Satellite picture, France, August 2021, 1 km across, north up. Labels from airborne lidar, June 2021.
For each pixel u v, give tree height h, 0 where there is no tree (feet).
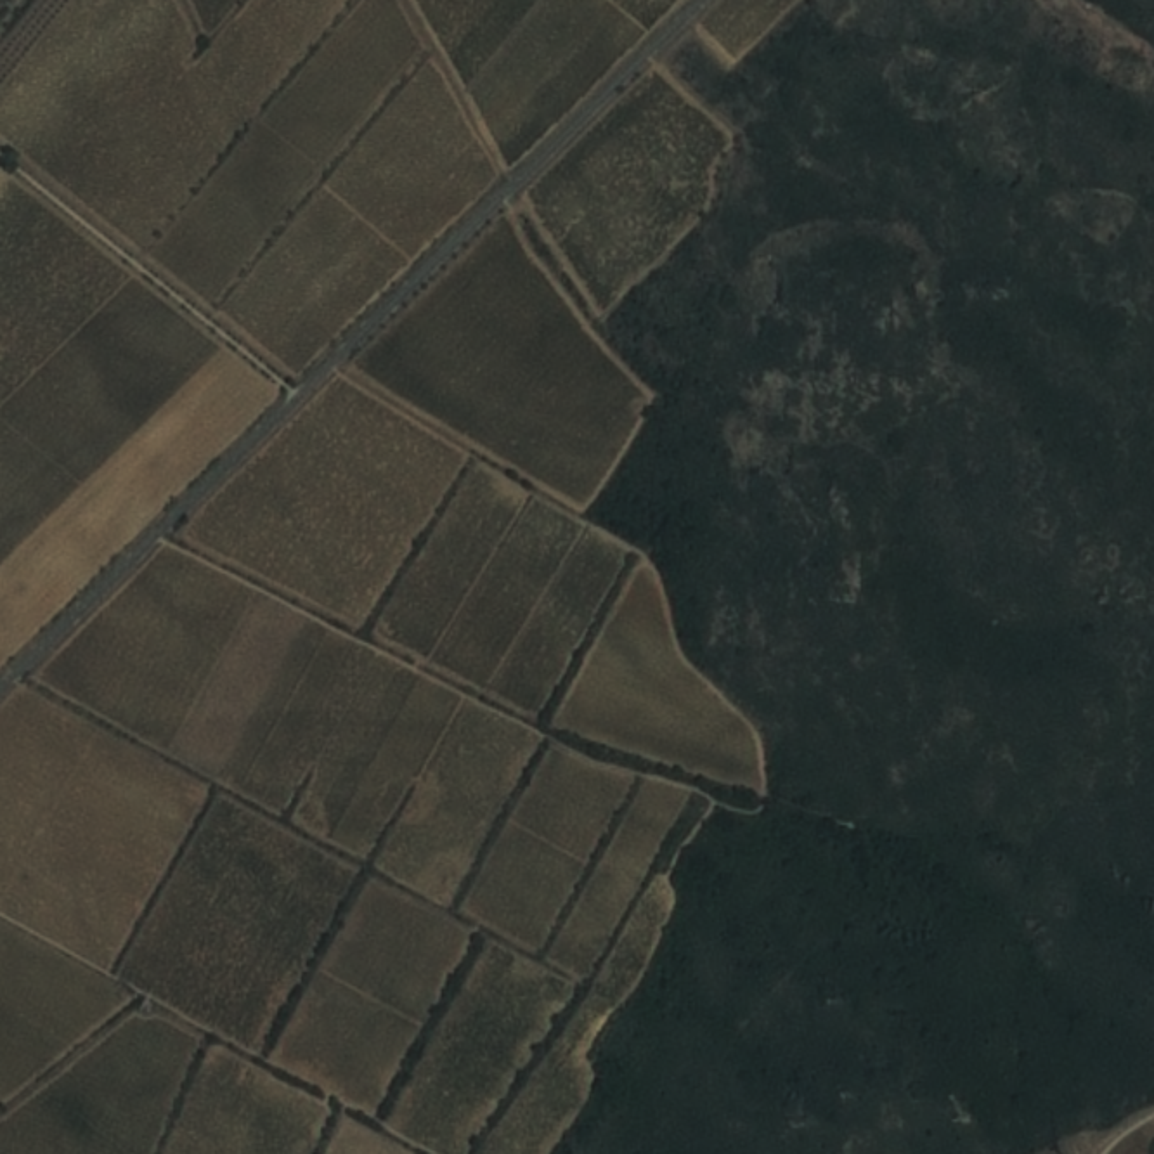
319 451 0
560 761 0
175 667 0
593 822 0
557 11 0
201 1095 0
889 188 0
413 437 0
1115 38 0
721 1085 0
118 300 0
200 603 0
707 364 0
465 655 0
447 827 0
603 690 0
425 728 0
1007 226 0
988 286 0
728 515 0
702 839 0
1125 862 0
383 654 0
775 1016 0
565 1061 0
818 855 0
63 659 0
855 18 0
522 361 0
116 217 0
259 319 0
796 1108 0
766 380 0
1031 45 0
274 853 0
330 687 0
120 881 0
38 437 0
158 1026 0
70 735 0
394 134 0
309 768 0
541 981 0
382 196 0
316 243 0
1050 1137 0
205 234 0
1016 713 0
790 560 0
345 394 0
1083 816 0
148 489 0
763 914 0
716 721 0
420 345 0
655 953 0
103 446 0
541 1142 0
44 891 0
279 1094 0
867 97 0
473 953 20
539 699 0
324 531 0
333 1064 0
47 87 0
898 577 0
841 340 0
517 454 0
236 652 0
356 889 22
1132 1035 0
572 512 0
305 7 0
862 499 0
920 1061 0
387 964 0
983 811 0
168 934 0
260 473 0
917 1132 0
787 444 0
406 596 0
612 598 18
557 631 0
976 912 0
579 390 0
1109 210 0
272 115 0
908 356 0
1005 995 0
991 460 0
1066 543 0
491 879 0
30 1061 0
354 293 0
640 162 0
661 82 0
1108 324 0
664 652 0
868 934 0
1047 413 0
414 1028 0
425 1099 0
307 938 0
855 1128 0
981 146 0
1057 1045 0
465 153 0
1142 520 0
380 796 0
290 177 0
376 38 0
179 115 0
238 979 0
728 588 0
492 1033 0
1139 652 0
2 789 0
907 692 0
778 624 0
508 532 0
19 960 0
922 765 0
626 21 0
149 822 0
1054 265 0
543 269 0
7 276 0
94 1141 0
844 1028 0
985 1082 0
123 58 0
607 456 0
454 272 0
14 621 0
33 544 0
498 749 0
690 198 0
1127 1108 0
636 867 0
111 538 0
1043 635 0
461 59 0
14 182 0
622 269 0
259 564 0
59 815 0
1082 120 0
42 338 0
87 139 0
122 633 0
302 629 0
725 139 0
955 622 0
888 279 0
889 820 0
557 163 0
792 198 0
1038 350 0
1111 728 0
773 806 19
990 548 0
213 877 0
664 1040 0
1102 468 0
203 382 0
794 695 0
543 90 0
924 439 0
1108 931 0
